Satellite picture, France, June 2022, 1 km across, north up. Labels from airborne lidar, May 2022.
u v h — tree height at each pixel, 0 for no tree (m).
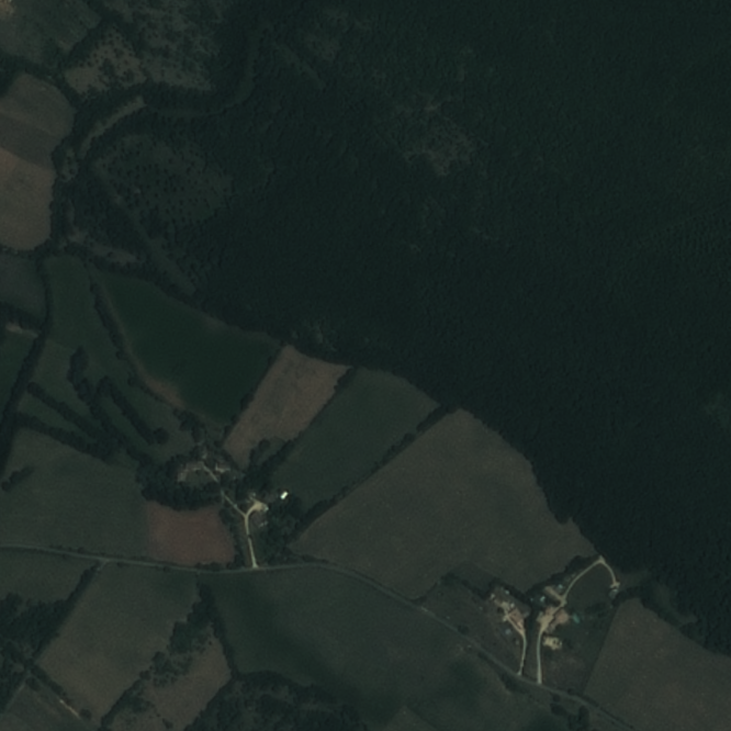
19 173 0
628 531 16
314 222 10
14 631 9
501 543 0
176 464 14
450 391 14
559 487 17
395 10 11
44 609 10
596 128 11
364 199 10
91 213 8
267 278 11
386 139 9
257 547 0
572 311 15
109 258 10
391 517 0
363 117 11
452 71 9
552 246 10
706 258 6
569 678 0
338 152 11
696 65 5
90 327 0
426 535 0
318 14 8
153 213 12
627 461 13
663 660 0
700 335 7
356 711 10
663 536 14
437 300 9
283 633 0
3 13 0
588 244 12
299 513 11
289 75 11
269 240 12
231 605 0
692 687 0
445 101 7
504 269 14
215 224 11
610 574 0
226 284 12
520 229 10
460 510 0
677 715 0
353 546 0
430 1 14
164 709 0
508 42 10
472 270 11
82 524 0
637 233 11
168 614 0
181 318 0
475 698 0
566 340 13
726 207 10
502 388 16
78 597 10
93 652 0
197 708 0
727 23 12
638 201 12
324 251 12
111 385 16
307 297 11
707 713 0
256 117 10
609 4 11
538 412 16
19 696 0
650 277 9
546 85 10
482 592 9
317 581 0
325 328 8
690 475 15
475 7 11
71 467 0
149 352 0
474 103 10
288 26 11
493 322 15
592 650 0
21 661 10
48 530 0
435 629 0
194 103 11
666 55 11
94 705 0
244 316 13
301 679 0
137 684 7
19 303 0
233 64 9
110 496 0
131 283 0
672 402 14
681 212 7
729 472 13
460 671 0
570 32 12
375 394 0
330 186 13
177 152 9
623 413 13
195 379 0
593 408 16
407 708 0
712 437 14
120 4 0
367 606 0
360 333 9
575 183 9
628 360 17
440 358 14
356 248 12
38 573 0
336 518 0
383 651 0
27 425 17
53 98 0
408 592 0
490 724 0
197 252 13
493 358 12
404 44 11
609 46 12
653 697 0
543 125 9
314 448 0
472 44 10
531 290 15
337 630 0
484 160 8
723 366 9
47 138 0
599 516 17
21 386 18
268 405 0
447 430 0
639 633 0
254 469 14
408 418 0
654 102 13
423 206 10
